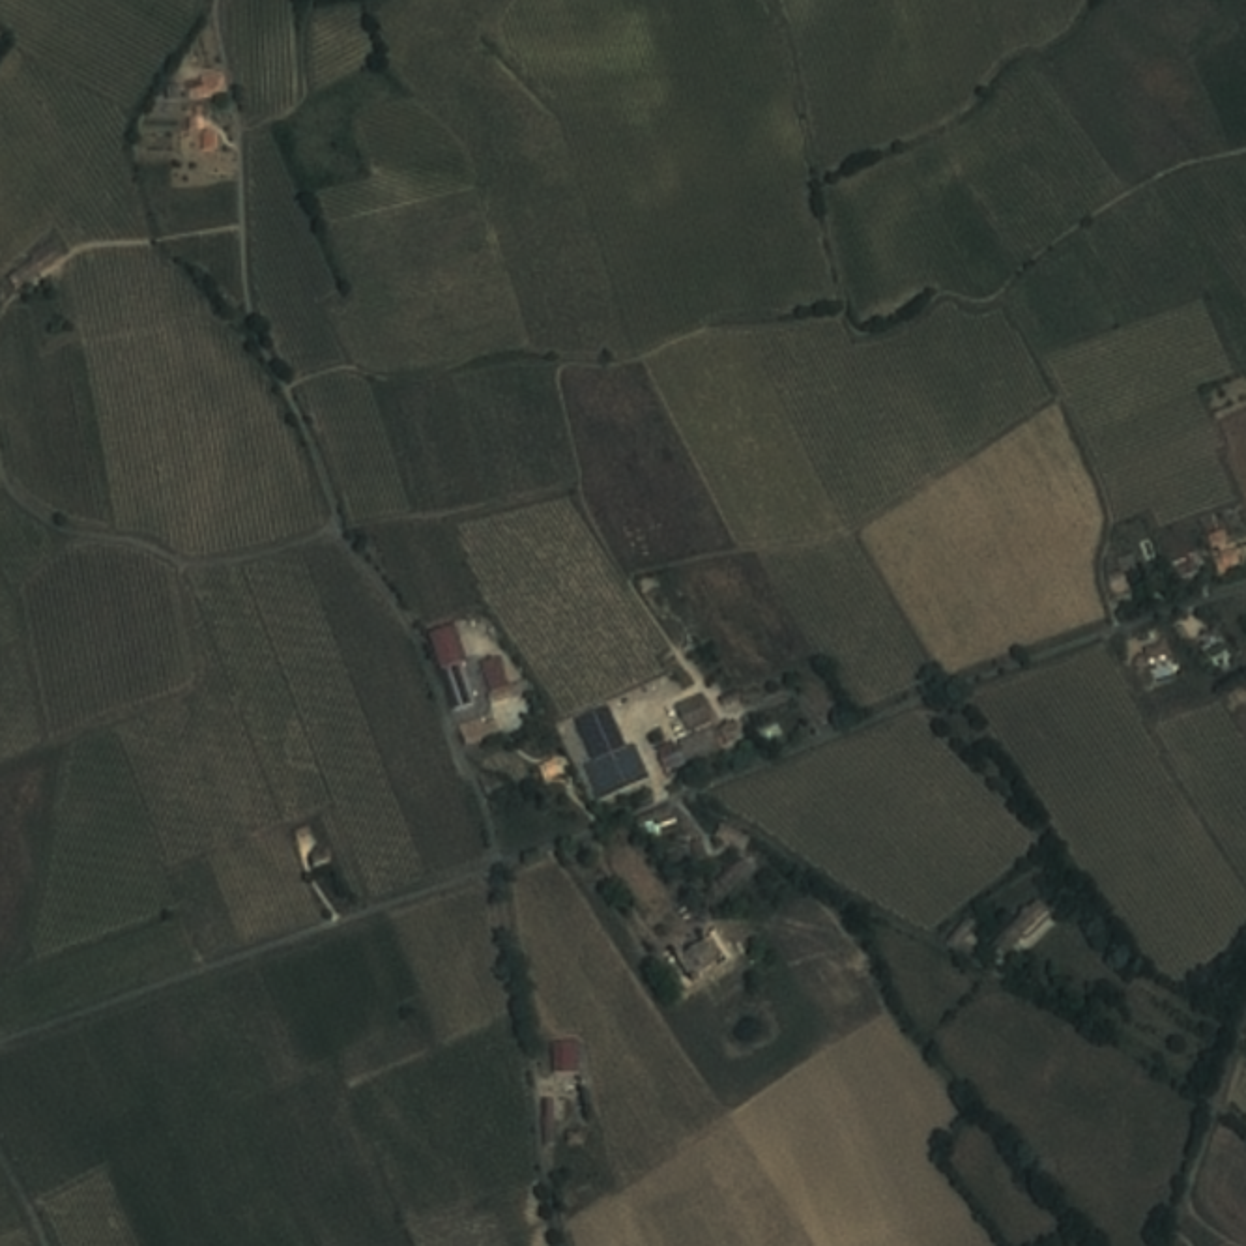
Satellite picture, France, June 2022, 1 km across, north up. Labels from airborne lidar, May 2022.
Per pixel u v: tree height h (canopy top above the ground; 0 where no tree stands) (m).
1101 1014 6
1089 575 0
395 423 0
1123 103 0
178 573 0
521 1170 0
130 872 0
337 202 0
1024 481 0
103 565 0
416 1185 0
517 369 0
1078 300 0
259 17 0
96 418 0
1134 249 0
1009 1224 0
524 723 7
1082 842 0
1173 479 0
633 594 0
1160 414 0
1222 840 0
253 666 0
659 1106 0
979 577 0
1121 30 0
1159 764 0
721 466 0
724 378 0
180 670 0
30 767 0
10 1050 0
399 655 0
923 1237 0
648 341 0
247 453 0
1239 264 0
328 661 0
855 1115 0
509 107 0
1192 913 0
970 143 0
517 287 0
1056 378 0
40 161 0
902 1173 0
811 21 0
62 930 0
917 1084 0
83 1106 0
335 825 0
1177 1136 0
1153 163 0
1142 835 0
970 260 0
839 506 0
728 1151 0
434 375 0
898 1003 9
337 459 0
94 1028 0
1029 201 0
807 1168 0
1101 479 0
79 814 0
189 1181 0
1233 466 0
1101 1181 0
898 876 0
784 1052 0
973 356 0
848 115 0
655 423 0
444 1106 0
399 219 0
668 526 0
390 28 0
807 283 0
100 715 0
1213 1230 0
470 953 0
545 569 0
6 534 0
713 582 0
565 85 0
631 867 0
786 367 0
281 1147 0
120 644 0
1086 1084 0
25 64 0
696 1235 0
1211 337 0
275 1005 0
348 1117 0
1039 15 0
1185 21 0
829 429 0
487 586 0
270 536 0
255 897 0
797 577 0
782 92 0
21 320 0
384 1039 0
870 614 0
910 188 0
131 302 0
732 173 0
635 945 0
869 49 0
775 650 0
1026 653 13
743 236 0
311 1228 0
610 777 0
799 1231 0
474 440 0
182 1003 0
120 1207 0
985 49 0
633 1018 0
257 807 0
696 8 0
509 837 0
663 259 0
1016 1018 0
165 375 0
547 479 0
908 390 0
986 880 0
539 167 0
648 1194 0
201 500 0
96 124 0
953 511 0
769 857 8
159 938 0
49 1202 0
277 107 0
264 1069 0
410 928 0
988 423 0
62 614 0
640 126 0
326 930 0
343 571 0
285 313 0
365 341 0
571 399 0
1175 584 6
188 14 0
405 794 0
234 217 0
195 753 0
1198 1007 12
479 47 0
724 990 0
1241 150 0
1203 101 0
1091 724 0
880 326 16
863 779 0
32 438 0
